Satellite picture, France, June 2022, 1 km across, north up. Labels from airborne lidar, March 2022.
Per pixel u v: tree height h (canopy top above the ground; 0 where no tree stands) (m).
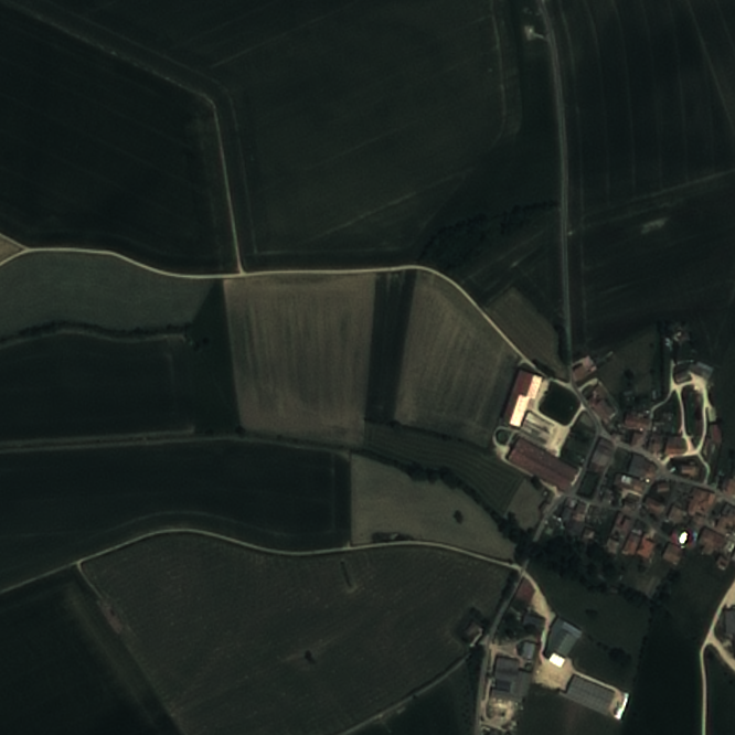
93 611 0
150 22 0
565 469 0
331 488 0
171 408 0
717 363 0
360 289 0
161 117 0
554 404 0
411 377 0
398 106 0
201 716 0
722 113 0
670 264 0
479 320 0
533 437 0
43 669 0
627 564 0
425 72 0
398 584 0
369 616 0
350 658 0
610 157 0
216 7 0
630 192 0
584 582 14
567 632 0
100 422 0
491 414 0
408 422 0
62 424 0
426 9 0
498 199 0
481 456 0
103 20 0
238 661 0
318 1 0
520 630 0
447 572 0
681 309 0
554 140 0
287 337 0
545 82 0
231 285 0
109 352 0
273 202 0
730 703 0
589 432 0
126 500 0
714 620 0
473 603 0
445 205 0
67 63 0
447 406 0
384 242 0
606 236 0
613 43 0
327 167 0
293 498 0
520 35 0
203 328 0
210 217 0
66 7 0
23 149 0
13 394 0
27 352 0
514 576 10
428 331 0
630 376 15
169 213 0
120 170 0
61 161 0
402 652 0
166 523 0
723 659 0
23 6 0
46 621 0
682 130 0
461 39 0
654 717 0
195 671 0
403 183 0
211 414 0
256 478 0
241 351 0
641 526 0
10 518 0
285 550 0
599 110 0
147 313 0
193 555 0
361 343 0
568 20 0
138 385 0
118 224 0
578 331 0
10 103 0
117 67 0
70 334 0
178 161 0
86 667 0
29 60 0
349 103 0
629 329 0
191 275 0
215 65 0
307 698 0
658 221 0
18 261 0
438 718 0
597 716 0
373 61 0
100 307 0
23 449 0
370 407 0
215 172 0
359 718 0
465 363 0
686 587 0
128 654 0
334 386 0
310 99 0
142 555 0
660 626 0
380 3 0
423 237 0
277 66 0
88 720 0
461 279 0
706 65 0
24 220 0
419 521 0
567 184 0
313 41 0
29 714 0
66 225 0
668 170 0
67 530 0
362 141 0
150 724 0
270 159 0
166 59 0
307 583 0
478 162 0
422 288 0
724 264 0
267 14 0
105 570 0
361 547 0
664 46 0
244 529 0
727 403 0
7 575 0
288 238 0
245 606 0
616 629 0
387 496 0
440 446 0
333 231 0
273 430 0
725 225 0
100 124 0
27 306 0
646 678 0
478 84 0
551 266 0
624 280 0
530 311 0
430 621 0
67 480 0
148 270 0
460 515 11
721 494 0
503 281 0
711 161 0
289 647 0
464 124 0
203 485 0
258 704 0
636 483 0
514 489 0
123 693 0
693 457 0
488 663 0
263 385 0
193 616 0
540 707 0
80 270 0
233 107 0
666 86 0
